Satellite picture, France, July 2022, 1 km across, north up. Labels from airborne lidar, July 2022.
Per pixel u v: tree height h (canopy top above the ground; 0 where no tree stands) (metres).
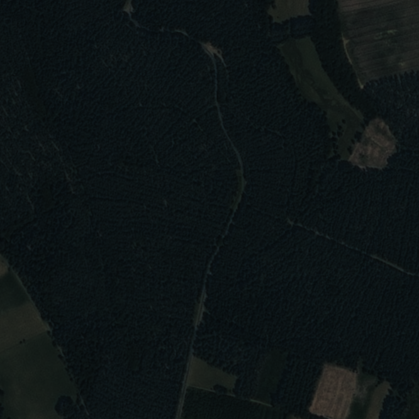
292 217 24
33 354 0
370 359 18
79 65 20
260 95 26
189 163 19
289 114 22
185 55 20
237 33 20
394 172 20
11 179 20
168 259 18
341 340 16
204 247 20
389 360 19
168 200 16
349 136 0
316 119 21
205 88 18
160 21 22
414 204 18
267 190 18
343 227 22
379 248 19
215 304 21
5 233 17
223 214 17
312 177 24
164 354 22
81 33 23
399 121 20
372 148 0
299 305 19
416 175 17
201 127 19
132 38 21
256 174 20
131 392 21
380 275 18
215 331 18
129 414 22
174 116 17
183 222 13
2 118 15
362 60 0
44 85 19
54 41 15
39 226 22
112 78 16
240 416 8
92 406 22
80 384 17
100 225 16
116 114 18
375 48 0
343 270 19
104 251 20
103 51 18
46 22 17
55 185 19
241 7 20
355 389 0
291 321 21
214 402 7
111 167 16
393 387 23
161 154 20
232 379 0
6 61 12
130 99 19
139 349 14
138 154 17
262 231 20
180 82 18
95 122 23
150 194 16
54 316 17
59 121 17
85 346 27
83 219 18
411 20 0
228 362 20
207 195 18
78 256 21
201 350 24
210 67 19
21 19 18
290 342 19
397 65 0
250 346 18
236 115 22
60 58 19
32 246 26
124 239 20
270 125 23
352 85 20
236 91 22
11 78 14
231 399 7
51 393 0
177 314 19
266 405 0
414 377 16
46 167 18
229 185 18
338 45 22
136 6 23
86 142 13
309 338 21
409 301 18
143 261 21
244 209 19
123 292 11
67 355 22
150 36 22
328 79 0
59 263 20
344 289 20
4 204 18
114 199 17
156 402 20
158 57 18
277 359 0
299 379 20
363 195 16
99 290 15
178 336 20
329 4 23
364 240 20
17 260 20
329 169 25
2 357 0
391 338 19
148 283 15
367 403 0
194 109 17
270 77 25
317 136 17
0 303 0
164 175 17
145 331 16
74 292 15
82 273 18
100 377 21
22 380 0
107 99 22
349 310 17
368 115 25
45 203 16
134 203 17
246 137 18
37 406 0
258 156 17
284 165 18
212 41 22
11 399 0
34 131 20
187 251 20
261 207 16
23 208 18
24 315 0
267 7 21
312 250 21
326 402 0
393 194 17
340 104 0
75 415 22
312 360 21
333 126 0
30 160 17
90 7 21
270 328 22
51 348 0
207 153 20
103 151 18
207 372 0
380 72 0
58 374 0
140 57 19
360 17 0
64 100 13
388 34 0
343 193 18
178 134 19
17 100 17
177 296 20
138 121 16
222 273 21
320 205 22
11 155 15
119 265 16
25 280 20
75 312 19
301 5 0
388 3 0
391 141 0
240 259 19
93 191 20
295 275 17
